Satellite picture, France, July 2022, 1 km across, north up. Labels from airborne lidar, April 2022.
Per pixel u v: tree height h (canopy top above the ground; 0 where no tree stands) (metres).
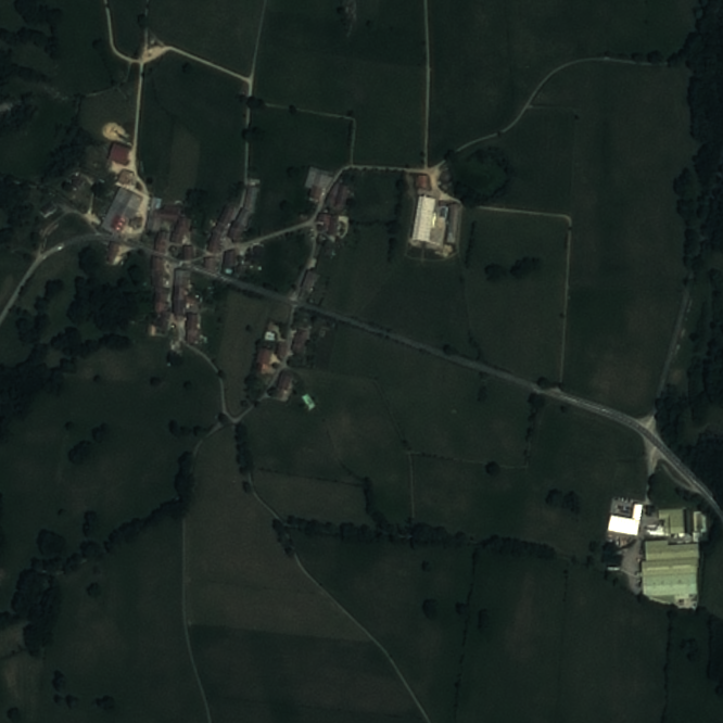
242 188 11
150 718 0
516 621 0
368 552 0
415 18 0
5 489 0
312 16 0
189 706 0
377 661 0
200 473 0
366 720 0
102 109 0
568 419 0
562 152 0
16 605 16
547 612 0
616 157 0
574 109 0
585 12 0
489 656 0
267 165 0
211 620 0
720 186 11
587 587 0
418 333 0
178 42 0
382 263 0
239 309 0
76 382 0
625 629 0
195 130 0
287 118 0
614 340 0
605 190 0
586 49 0
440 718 0
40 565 21
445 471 0
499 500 0
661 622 0
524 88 0
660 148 0
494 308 0
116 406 0
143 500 0
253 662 0
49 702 0
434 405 0
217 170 0
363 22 0
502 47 0
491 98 0
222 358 0
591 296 0
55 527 0
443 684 0
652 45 0
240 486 0
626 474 0
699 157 8
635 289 0
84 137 16
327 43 0
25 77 17
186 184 0
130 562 0
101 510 0
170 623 0
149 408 0
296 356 8
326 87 0
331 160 0
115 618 0
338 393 0
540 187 0
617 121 0
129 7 0
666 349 0
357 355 0
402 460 0
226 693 0
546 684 0
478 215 0
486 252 0
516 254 0
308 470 0
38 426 0
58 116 0
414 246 0
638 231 0
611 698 0
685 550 0
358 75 0
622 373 0
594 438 0
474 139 0
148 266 0
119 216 0
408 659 0
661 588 0
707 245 8
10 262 0
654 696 0
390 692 0
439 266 0
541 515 0
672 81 0
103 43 10
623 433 0
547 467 0
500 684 0
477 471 0
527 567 0
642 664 0
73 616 0
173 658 0
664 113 0
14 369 6
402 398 0
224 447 0
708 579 0
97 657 0
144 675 0
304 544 0
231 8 0
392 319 0
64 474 0
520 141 0
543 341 0
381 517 17
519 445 0
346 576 0
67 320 0
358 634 0
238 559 0
